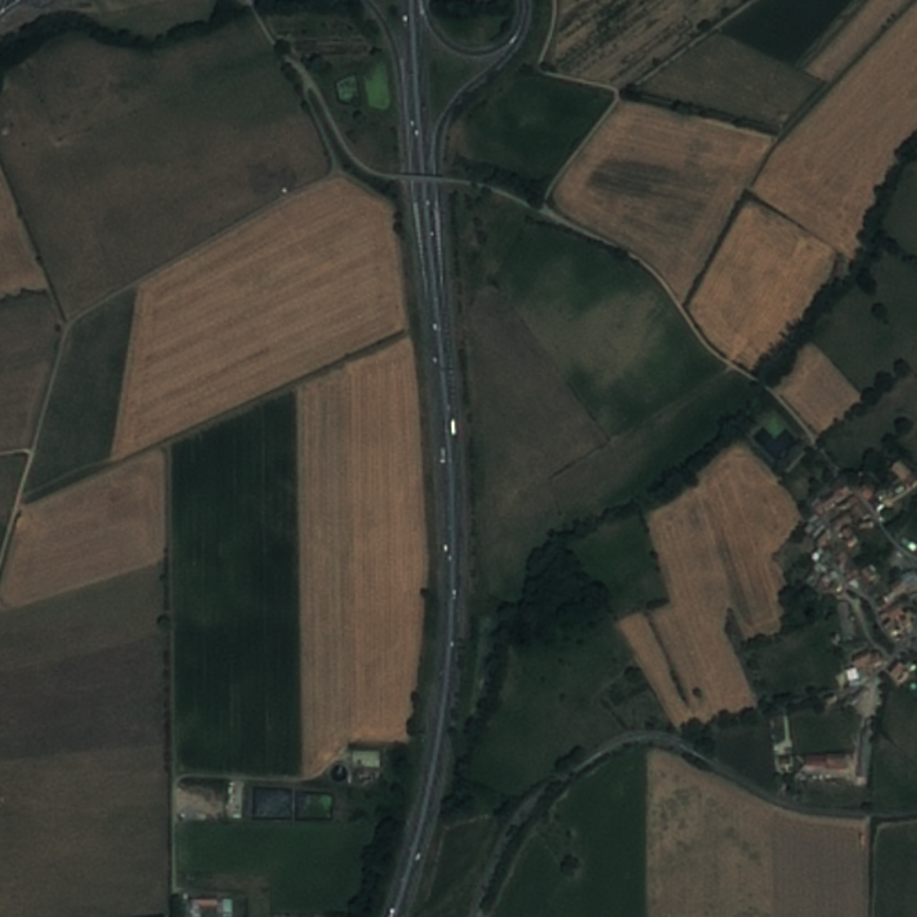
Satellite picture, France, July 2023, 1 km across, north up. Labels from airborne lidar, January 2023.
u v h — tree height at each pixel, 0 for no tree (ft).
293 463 0
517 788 0
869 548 26
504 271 0
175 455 0
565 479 0
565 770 36
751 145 0
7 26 0
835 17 0
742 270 0
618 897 0
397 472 0
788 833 0
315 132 0
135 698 0
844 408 0
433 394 0
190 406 0
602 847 0
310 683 0
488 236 34
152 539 0
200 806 0
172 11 0
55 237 0
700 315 0
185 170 0
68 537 0
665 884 0
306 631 0
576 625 62
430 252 0
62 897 0
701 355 0
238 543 0
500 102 0
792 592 41
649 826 0
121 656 0
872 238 67
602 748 0
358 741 0
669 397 0
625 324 0
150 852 0
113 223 0
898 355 0
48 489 0
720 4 0
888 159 0
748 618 0
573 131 0
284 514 0
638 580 0
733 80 0
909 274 0
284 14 85
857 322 0
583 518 0
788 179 0
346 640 0
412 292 0
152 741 0
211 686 0
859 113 0
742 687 0
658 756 0
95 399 0
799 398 0
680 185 0
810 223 0
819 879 0
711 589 0
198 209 0
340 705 0
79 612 0
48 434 0
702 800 0
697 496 0
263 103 0
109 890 0
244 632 0
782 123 0
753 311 0
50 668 0
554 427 0
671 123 0
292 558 0
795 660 0
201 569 0
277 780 0
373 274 0
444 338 0
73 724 0
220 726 0
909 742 0
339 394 0
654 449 0
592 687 0
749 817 0
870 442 0
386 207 0
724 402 0
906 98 0
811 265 0
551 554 63
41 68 0
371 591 0
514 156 0
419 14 0
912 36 0
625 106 0
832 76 0
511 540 0
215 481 0
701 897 0
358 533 0
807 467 36
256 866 0
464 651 31
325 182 0
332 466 0
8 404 0
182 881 0
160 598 0
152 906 0
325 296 0
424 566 0
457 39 0
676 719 0
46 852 0
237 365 0
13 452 0
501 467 0
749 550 0
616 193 0
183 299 0
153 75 0
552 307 0
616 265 0
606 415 0
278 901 0
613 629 0
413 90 0
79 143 0
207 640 0
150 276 0
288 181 0
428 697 0
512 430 0
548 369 0
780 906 0
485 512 0
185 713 0
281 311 0
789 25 0
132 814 0
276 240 0
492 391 0
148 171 0
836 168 0
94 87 0
